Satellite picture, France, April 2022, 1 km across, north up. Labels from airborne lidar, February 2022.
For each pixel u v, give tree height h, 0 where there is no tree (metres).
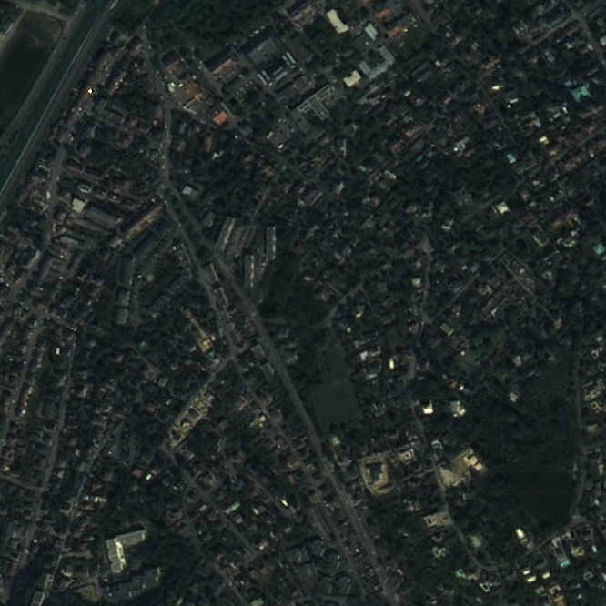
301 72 0
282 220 10
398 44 0
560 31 7
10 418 0
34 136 0
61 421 0
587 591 8
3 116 20
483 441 6
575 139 7
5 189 0
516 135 14
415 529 7
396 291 21
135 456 0
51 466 0
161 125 0
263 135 15
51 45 0
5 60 0
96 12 0
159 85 0
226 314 0
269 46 0
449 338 19
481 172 0
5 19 13
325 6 0
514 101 0
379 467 0
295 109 0
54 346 5
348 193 9
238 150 11
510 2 10
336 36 16
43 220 21
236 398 13
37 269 0
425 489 13
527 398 18
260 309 0
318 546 0
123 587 0
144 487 9
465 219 0
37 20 0
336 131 20
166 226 0
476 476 24
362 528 0
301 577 0
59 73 0
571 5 9
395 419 18
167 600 29
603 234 24
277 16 17
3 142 0
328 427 0
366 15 17
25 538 0
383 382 9
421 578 15
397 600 0
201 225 0
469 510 13
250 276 0
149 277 0
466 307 18
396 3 0
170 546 9
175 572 20
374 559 0
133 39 0
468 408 0
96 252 7
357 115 8
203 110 0
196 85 0
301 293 16
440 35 8
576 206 12
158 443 7
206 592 10
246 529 13
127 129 0
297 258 20
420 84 9
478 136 7
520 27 0
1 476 0
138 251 0
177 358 14
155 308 0
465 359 0
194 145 0
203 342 0
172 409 14
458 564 8
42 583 0
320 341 15
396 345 0
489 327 16
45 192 0
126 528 0
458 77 0
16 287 0
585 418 10
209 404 0
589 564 11
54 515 10
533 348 21
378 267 13
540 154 0
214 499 0
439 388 16
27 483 0
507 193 14
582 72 20
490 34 19
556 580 7
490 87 0
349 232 17
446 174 17
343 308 11
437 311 14
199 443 16
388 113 10
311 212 9
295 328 16
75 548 12
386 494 0
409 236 17
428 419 8
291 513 0
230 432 14
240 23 23
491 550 8
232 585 0
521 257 6
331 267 14
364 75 13
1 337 0
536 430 19
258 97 15
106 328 18
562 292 9
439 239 17
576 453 19
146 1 18
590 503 0
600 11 0
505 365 21
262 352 0
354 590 0
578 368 12
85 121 9
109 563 0
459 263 13
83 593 0
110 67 0
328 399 0
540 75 0
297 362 6
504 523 7
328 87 0
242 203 10
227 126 12
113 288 12
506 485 23
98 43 0
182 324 24
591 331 22
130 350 9
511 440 24
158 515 6
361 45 0
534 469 0
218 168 14
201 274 0
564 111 9
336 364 0
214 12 22
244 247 0
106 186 16
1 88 0
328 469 0
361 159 0
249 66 0
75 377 7
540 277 9
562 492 0
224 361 0
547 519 0
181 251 0
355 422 0
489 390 11
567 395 0
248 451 9
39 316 0
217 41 19
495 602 8
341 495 0
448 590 0
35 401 0
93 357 14
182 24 23
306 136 14
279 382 11
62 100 0
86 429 8
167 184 0
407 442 6
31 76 0
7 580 0
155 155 0
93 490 8
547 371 16
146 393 19
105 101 0
